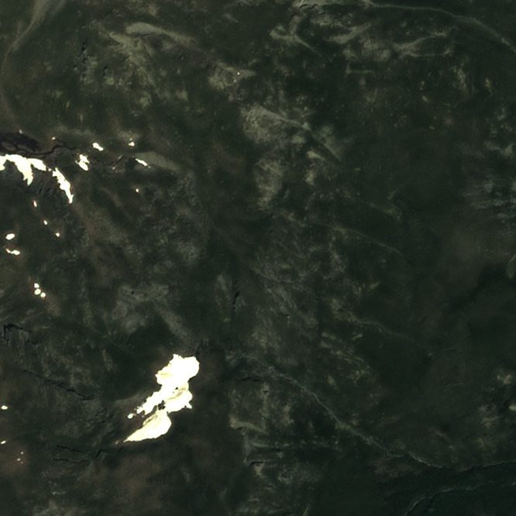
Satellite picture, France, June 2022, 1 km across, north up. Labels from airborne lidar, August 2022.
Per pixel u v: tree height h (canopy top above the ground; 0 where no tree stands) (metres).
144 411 0
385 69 0
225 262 0
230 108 0
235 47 0
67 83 0
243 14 0
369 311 0
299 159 0
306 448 0
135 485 0
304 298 0
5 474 0
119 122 0
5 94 0
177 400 0
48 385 0
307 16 0
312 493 0
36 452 0
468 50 0
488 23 0
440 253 0
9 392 0
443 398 0
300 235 0
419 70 0
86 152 0
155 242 0
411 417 0
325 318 0
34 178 0
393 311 0
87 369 0
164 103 0
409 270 0
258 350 0
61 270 0
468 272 0
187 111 0
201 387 0
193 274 0
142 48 0
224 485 0
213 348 0
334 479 0
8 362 0
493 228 0
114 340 0
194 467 0
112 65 0
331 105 0
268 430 0
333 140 0
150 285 0
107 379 0
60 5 0
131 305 0
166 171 0
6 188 0
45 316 0
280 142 0
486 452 0
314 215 0
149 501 0
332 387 0
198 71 0
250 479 0
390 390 0
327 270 0
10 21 0
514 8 0
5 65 0
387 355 0
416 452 0
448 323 0
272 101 0
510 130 0
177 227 0
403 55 0
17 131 0
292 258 0
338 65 0
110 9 0
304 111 0
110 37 0
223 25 0
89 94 0
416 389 0
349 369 0
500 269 0
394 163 0
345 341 0
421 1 0
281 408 0
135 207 0
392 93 0
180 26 0
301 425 0
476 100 0
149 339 0
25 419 0
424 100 0
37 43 0
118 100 0
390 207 0
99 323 0
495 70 0
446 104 0
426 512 7
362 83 0
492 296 0
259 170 0
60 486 0
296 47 0
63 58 0
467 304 0
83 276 0
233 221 0
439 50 0
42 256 0
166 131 0
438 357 0
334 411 0
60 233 0
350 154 0
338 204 0
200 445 0
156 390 0
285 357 0
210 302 0
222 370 0
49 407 0
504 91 0
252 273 0
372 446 0
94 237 0
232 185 0
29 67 0
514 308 0
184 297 0
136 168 0
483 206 0
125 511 0
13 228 0
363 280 0
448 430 0
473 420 0
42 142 0
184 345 0
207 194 0
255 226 0
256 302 0
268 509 0
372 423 0
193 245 0
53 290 0
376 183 0
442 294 0
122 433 0
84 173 0
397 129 0
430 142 0
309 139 0
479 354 0
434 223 0
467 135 0
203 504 0
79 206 0
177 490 0
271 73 0
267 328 0
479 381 0
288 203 0
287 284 0
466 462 0
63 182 0
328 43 0
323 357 0
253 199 0
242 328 0
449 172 0
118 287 0
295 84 0
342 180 0
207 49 0
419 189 0
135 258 0
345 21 0
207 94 0
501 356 0
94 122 0
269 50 0
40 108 0
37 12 0
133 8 0
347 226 0
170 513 0
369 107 0
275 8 0
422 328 0
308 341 0
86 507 0
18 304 0
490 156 0
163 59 0
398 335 0
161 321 0
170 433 0
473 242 0
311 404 0
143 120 0
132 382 0
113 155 0
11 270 0
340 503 0
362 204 0
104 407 0
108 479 0
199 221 0
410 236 0
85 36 0
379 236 0
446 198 0
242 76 0
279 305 0
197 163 0
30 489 0
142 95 0
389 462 0
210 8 0
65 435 0
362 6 0
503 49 0
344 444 0
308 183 0
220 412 0
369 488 0
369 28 0
